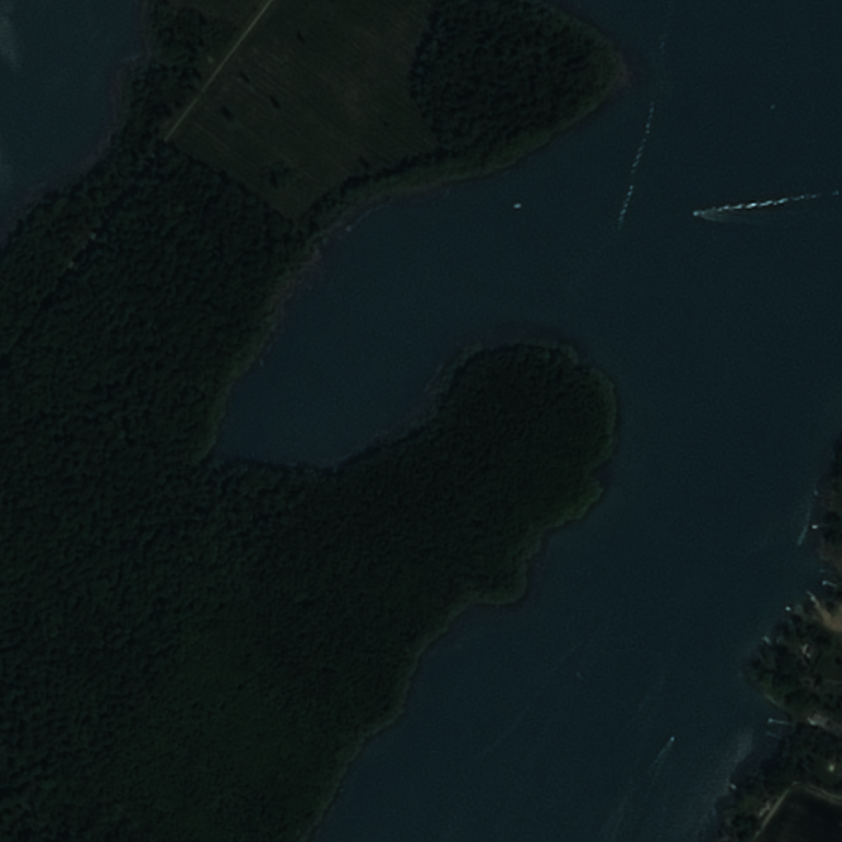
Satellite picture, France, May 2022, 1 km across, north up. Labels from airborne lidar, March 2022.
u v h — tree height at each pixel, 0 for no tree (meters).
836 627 0
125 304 23
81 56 0
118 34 0
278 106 20
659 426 0
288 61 0
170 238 27
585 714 0
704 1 0
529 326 0
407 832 0
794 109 0
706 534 0
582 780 0
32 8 0
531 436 19
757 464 0
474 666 0
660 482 0
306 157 0
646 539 0
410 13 0
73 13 0
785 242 0
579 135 0
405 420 0
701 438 0
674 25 0
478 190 0
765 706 0
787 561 0
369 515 18
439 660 0
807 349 0
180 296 27
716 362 0
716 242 0
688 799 0
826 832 0
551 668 0
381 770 0
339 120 0
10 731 23
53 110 0
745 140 0
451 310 0
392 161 0
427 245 0
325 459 0
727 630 0
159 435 27
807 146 0
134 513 28
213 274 26
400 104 0
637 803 0
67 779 26
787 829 0
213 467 9
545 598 0
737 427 0
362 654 17
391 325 0
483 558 18
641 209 0
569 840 0
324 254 0
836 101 0
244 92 0
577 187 0
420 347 0
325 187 0
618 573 0
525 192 0
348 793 0
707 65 0
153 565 32
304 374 0
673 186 0
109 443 28
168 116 24
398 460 21
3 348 22
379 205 0
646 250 0
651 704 0
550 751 0
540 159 0
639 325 0
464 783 0
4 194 0
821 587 0
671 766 0
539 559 0
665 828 0
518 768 0
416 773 0
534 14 24
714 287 0
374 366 0
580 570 0
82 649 23
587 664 0
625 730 0
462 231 0
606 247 0
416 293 0
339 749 14
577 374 15
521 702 0
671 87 0
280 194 0
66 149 0
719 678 0
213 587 23
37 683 27
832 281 0
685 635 0
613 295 0
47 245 20
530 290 0
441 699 0
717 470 0
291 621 0
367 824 0
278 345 0
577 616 0
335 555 17
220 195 21
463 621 0
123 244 25
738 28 0
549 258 0
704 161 0
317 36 0
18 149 0
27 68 0
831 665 0
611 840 0
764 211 0
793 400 0
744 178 0
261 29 0
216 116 0
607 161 0
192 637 13
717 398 0
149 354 26
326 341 0
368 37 0
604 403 14
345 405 0
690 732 0
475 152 17
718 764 0
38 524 22
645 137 0
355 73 0
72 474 28
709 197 0
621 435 0
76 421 26
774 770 22
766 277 0
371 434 0
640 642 0
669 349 0
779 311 0
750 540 0
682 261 0
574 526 0
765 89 0
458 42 28
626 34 0
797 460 0
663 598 0
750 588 0
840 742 14
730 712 0
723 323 0
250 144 0
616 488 0
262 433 0
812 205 0
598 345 0
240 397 0
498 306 0
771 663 11
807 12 0
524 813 0
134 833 24
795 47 0
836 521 19
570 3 0
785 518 0
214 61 0
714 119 0
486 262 0
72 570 24
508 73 25
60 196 17
